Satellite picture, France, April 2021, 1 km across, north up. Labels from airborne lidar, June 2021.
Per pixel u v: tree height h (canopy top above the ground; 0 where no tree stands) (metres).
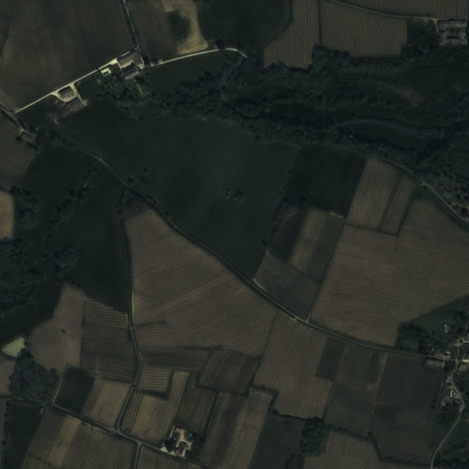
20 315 0
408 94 0
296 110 0
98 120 0
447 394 0
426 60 12
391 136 0
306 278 0
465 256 0
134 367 0
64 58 0
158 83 0
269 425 0
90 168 0
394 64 18
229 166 0
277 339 0
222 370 0
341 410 0
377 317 0
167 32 0
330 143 16
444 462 8
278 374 0
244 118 18
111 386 0
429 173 20
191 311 0
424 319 0
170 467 0
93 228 0
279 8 0
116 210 0
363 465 0
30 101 0
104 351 0
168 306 0
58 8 0
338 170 0
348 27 0
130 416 0
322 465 0
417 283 0
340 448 0
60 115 0
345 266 0
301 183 0
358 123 0
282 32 0
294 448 0
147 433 0
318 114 0
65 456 0
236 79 24
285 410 0
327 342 0
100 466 0
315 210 0
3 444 10
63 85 0
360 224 0
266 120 23
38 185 0
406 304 0
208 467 0
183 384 0
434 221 0
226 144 0
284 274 0
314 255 0
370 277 0
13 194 12
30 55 0
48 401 20
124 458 0
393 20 0
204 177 0
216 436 0
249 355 0
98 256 0
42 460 0
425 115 7
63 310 0
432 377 0
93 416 0
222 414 0
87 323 0
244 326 0
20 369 19
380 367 0
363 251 0
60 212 19
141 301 0
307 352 0
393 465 0
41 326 0
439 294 0
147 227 0
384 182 0
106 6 0
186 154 0
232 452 0
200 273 0
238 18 0
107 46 0
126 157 0
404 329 7
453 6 0
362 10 0
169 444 12
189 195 0
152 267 0
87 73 0
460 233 0
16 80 0
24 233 0
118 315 0
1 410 0
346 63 23
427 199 0
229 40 0
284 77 23
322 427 22
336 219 0
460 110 13
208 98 27
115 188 0
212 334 0
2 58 0
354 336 0
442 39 0
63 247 0
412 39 6
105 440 0
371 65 23
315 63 20
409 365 0
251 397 0
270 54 0
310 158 0
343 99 18
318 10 0
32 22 0
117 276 0
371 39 0
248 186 0
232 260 0
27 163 0
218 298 0
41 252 0
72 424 0
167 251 0
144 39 0
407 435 0
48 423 0
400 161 11
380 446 0
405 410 0
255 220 0
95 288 0
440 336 0
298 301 0
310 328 0
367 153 19
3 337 0
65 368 0
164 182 0
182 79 0
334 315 0
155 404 0
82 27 0
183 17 0
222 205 0
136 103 14
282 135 19
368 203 0
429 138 0
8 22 0
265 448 0
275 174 0
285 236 0
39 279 22
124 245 0
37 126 0
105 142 0
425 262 0
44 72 0
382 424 0
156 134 0
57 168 0
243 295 0
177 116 6
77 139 0
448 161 22
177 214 0
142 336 0
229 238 0
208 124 0
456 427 0
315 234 0
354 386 0
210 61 0
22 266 28
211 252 0
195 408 0
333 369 0
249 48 0
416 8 0
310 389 0
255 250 0
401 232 0
